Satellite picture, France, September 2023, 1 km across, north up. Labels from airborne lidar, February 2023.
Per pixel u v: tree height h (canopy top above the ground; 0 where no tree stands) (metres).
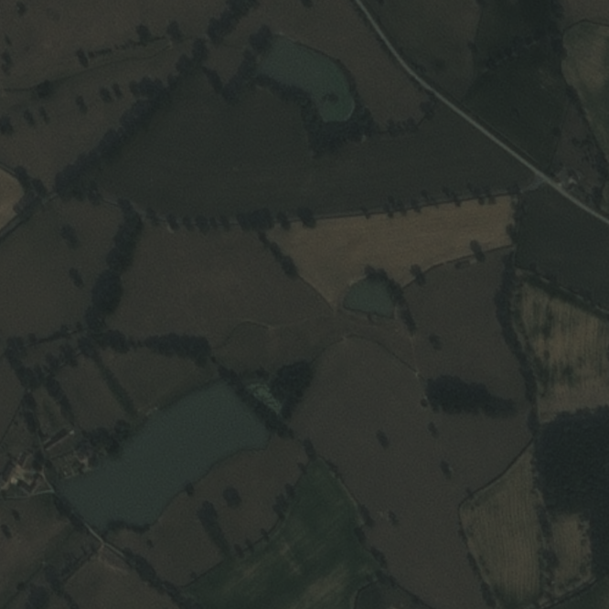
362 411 0
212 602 0
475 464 0
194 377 0
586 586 7
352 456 0
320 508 0
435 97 14
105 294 24
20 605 0
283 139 0
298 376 16
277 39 0
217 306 0
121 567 0
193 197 0
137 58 0
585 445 22
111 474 0
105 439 19
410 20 0
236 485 0
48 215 0
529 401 16
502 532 0
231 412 0
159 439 0
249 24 0
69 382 0
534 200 0
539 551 0
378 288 0
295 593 0
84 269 0
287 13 0
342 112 0
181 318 0
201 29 0
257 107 0
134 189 0
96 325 23
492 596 13
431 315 0
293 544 0
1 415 0
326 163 0
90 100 0
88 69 0
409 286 0
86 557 12
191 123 0
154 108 15
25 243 0
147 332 0
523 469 0
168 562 0
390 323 0
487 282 0
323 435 0
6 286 0
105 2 0
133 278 0
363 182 0
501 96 0
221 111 0
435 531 0
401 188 0
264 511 0
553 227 0
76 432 0
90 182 0
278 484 0
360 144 0
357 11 15
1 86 0
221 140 0
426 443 0
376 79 0
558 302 0
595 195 14
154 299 0
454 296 0
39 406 0
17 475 0
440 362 0
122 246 22
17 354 15
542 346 0
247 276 0
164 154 0
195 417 0
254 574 0
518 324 0
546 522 18
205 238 0
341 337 0
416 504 0
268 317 0
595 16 0
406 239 0
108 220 0
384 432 0
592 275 0
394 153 0
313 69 0
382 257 0
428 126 0
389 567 0
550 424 6
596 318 0
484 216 0
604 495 14
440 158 0
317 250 0
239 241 0
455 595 0
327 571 0
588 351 0
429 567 0
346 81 0
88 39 0
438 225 0
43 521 0
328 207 0
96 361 24
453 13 0
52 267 0
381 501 0
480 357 0
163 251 0
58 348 0
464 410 13
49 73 0
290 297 0
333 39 0
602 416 19
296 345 0
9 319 0
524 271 0
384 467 0
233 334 0
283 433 13
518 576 0
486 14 0
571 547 0
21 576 0
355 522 0
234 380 13
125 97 0
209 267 0
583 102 0
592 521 19
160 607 0
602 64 0
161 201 0
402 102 0
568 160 0
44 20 0
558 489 17
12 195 0
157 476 0
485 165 0
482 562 0
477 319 0
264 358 0
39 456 13
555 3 18
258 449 0
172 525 0
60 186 19
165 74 0
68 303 0
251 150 0
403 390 0
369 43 0
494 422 0
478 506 0
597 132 0
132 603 0
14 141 0
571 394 0
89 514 0
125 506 0
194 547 0
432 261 0
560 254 0
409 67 0
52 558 0
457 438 0
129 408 28
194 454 0
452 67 0
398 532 0
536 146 0
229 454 0
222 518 0
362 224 0
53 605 0
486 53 0
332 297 0
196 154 0
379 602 0
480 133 0
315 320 0
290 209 0
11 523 0
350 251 0
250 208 0
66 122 0
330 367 0
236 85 18
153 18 0
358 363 0
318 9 0
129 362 0
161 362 0
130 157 0
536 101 0
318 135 18
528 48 14
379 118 0
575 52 0
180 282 0
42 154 0
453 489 0
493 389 0
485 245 0
